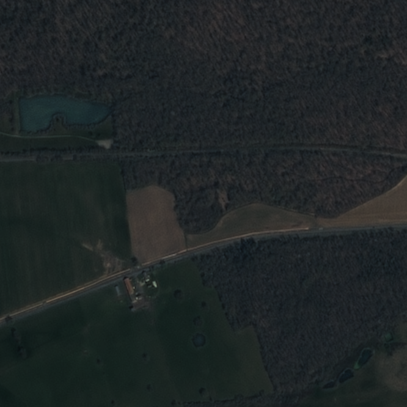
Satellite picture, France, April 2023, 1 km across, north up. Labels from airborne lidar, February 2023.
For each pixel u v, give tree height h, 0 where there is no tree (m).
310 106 22
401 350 0
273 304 22
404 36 20
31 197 0
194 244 0
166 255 0
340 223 0
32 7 24
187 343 0
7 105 6
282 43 22
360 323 19
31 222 0
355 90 24
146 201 0
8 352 0
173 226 0
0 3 29
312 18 21
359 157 19
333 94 21
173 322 0
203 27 22
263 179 18
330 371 14
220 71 24
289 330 22
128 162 15
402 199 0
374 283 23
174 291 0
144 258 0
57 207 0
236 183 19
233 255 21
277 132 19
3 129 0
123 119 25
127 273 0
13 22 23
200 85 18
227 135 21
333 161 22
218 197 21
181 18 23
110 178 0
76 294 0
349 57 24
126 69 25
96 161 14
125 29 26
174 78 23
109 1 26
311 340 23
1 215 0
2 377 0
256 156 17
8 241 0
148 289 0
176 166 20
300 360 24
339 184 23
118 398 0
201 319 14
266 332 22
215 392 0
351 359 0
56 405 0
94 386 0
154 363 0
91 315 0
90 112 0
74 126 7
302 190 19
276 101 23
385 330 15
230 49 24
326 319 16
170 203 0
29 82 22
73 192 0
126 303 0
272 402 11
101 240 0
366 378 0
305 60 21
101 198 0
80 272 0
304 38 21
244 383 0
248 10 25
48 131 8
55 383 0
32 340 0
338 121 21
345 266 16
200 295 0
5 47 16
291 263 21
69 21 28
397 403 0
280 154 18
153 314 0
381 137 23
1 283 0
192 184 20
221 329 0
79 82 24
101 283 0
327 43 23
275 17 24
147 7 24
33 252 0
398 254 20
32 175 0
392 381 0
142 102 24
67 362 0
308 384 7
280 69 20
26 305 0
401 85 26
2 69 25
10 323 18
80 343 0
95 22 28
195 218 17
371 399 0
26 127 0
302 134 22
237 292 21
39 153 14
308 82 18
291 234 0
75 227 0
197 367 0
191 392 0
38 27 25
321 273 19
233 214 0
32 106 0
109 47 28
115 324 0
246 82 26
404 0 22
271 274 19
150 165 21
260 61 21
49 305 0
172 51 18
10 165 0
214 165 23
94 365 0
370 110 19
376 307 21
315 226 0
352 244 18
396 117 22
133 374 0
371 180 15
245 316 21
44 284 0
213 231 0
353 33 22
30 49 25
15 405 0
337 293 17
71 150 9
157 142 21
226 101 7
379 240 19
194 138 21
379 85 21
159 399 0
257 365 0
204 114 19
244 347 0
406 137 23
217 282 19
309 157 22
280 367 25
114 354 0
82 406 0
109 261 0
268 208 0
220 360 0
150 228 0
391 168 21
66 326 0
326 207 13
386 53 21
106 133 0
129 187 6
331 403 0
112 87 25
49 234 0
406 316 23
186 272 0
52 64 24
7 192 0
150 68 25
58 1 30
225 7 24
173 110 20
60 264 0
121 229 0
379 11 20
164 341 0
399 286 22
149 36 26
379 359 0
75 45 26
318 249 19
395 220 0
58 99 0
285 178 19
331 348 22
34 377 0
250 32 25
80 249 0
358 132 25
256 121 24
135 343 0
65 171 0
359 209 0
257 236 0
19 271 0
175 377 0
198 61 14
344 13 19
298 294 22
